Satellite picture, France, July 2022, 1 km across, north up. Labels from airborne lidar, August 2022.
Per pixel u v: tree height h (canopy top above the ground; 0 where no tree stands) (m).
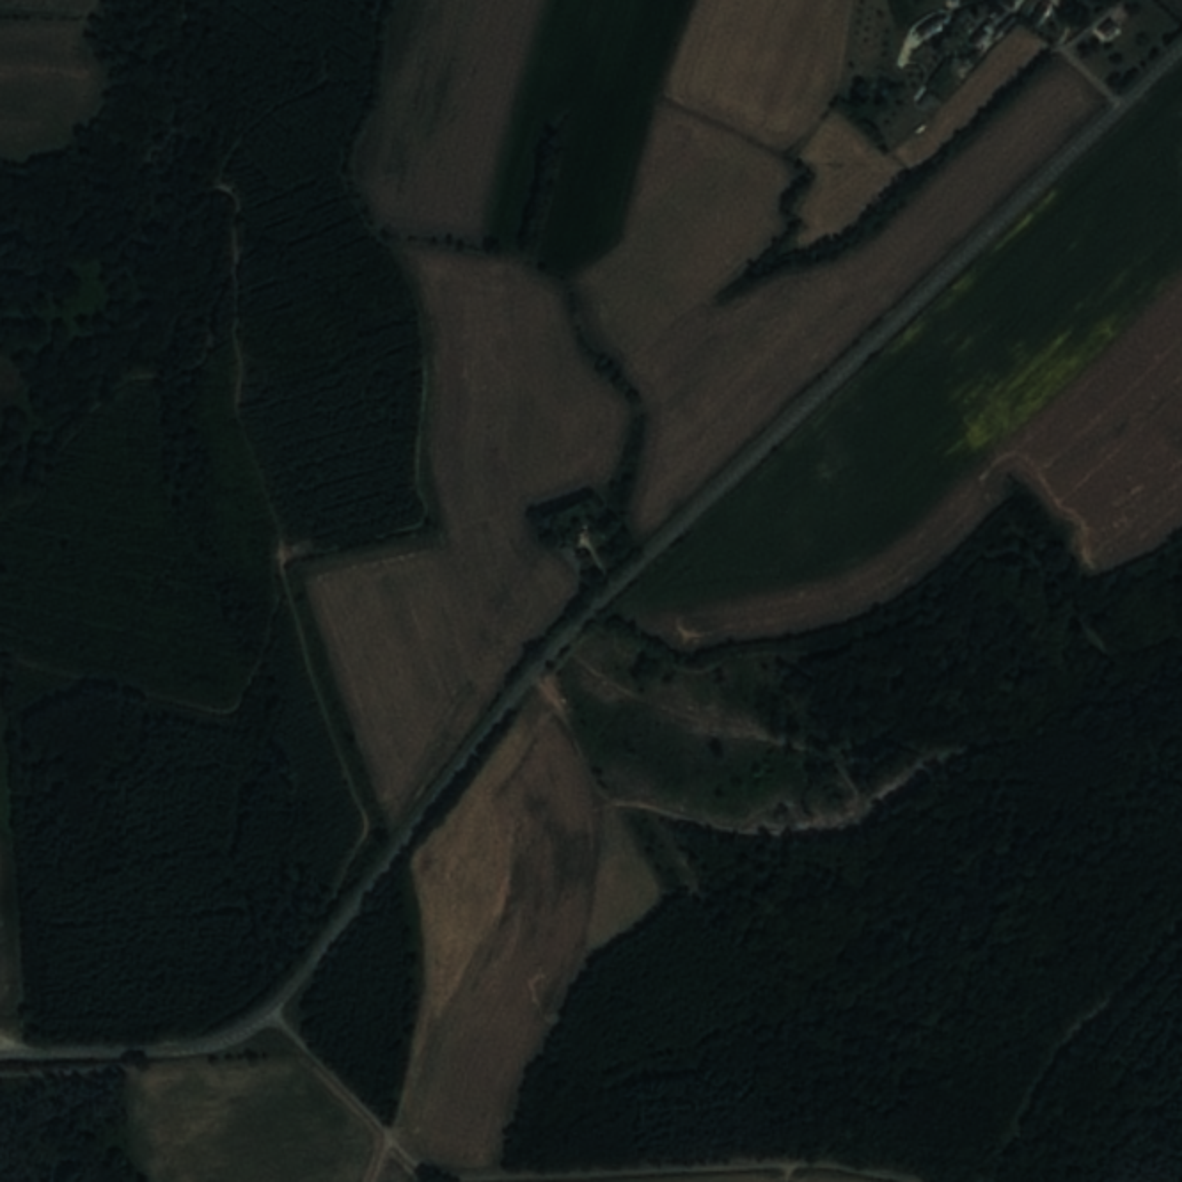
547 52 0
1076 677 20
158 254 21
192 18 11
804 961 19
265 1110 0
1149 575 14
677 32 0
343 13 9
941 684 19
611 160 0
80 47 0
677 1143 12
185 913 7
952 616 19
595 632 10
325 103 9
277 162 9
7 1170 15
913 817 24
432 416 0
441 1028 0
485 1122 0
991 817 20
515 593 0
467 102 0
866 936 21
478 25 0
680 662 20
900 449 0
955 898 27
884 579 0
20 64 0
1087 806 15
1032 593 20
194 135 15
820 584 0
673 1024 15
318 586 0
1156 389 0
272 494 6
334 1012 13
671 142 0
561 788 0
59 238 20
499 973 0
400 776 0
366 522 8
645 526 0
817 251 12
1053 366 0
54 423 13
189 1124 0
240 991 13
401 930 12
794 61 0
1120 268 0
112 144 17
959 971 21
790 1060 20
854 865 19
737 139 0
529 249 14
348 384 8
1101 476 0
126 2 11
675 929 15
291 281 10
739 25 0
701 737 0
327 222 8
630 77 0
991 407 0
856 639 17
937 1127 14
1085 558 0
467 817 0
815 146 0
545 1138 17
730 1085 13
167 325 19
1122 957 22
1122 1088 19
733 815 0
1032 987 18
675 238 0
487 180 0
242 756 16
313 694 5
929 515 0
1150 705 22
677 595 0
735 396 0
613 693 0
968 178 0
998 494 0
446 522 0
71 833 14
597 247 0
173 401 15
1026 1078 16
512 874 0
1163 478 0
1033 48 0
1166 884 21
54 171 19
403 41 0
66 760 16
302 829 14
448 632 0
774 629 0
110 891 14
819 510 0
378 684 0
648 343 0
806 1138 11
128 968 13
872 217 13
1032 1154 13
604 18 0
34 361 15
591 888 0
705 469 0
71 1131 21
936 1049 20
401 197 0
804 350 0
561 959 0
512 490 0
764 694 9
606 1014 15
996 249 0
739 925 9
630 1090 18
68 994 15
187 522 8
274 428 7
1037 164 0
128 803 13
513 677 10
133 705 16
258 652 9
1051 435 0
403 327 9
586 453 0
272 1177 0
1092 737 16
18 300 15
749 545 0
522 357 0
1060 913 20
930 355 0
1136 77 8
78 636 6
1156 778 18
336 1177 0
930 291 0
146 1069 11
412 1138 0
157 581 6
